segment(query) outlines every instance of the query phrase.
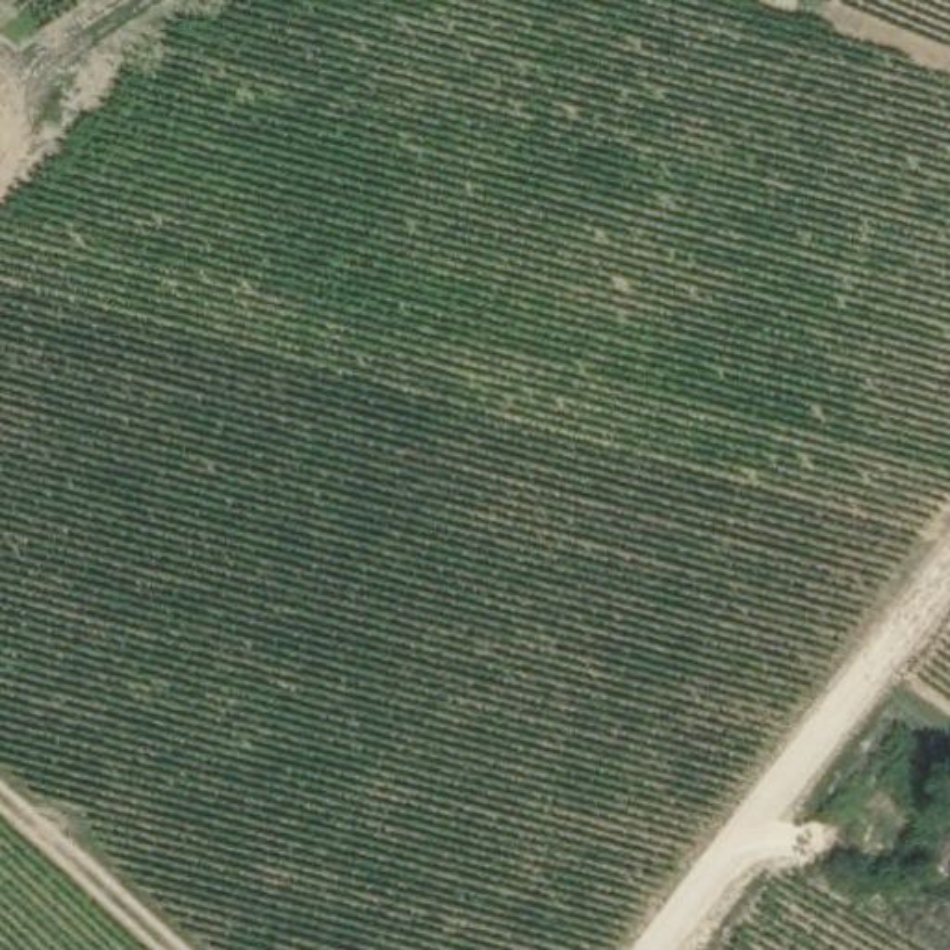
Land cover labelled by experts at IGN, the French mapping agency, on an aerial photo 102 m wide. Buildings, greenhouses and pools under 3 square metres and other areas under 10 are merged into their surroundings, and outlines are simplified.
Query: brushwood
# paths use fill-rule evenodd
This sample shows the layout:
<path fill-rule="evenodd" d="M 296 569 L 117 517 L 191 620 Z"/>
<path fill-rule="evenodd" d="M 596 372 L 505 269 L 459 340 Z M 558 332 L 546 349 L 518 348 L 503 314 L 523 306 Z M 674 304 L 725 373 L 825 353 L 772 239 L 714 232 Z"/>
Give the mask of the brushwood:
<path fill-rule="evenodd" d="M 831 846 L 816 861 L 839 891 L 883 894 L 891 902 L 909 902 L 917 891 L 928 891 L 931 898 L 950 898 L 950 828 L 928 831 L 920 828 L 920 816 L 931 805 L 928 783 L 950 779 L 950 724 L 913 727 L 894 720 L 883 731 L 879 746 L 865 757 L 865 776 L 879 776 L 894 805 L 905 805 L 905 824 L 894 846 L 879 854 L 865 854 L 861 846 Z"/>

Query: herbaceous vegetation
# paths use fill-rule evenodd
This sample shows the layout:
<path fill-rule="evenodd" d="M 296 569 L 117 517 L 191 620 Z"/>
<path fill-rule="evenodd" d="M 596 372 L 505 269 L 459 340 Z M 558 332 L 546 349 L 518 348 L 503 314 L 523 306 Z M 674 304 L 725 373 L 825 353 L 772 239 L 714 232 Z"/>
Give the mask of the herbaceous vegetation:
<path fill-rule="evenodd" d="M 913 928 L 917 946 L 924 950 L 950 950 L 950 898 L 931 898 L 928 891 L 917 891 L 909 902 L 891 902 L 887 913 Z"/>
<path fill-rule="evenodd" d="M 850 731 L 842 750 L 828 761 L 809 798 L 794 813 L 794 824 L 835 828 L 831 846 L 861 846 L 865 854 L 879 854 L 894 846 L 905 824 L 905 805 L 894 805 L 879 776 L 865 776 L 865 757 L 879 746 L 883 731 L 894 720 L 913 727 L 950 724 L 950 720 L 928 701 L 920 701 L 913 690 L 891 683 L 868 709 L 868 716 Z"/>

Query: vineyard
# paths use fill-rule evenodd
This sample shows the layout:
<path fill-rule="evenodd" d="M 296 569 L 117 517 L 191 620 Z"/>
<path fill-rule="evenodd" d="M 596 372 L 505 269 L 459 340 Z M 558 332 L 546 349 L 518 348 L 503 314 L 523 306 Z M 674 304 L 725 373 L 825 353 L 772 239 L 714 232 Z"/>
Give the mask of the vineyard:
<path fill-rule="evenodd" d="M 950 0 L 861 0 L 876 19 L 950 48 Z"/>
<path fill-rule="evenodd" d="M 950 74 L 913 63 L 909 52 L 894 45 L 846 37 L 820 15 L 783 11 L 776 0 L 0 0 L 0 63 L 15 63 L 15 74 L 26 85 L 26 108 L 33 111 L 30 156 L 37 160 L 30 178 L 15 182 L 0 200 L 0 776 L 30 802 L 37 802 L 52 820 L 59 820 L 82 850 L 89 850 L 104 868 L 111 868 L 193 950 L 627 950 L 649 924 L 649 902 L 672 898 L 679 879 L 709 850 L 709 842 L 738 809 L 738 802 L 787 746 L 794 727 L 809 716 L 816 698 L 828 690 L 828 683 L 854 661 L 868 635 L 883 623 L 887 609 L 898 605 L 902 590 L 931 557 L 931 546 L 920 538 L 920 531 L 950 497 Z"/>
<path fill-rule="evenodd" d="M 93 902 L 45 850 L 37 850 L 19 828 L 11 828 L 0 816 L 0 950 L 148 950 L 100 902 Z"/>
<path fill-rule="evenodd" d="M 924 642 L 902 664 L 894 664 L 891 683 L 913 690 L 920 701 L 928 701 L 950 720 L 950 609 L 924 635 Z"/>
<path fill-rule="evenodd" d="M 883 894 L 839 891 L 816 861 L 787 872 L 757 872 L 742 887 L 735 905 L 724 913 L 724 920 L 713 928 L 713 939 L 701 950 L 924 950 L 917 946 L 913 928 L 887 913 L 891 902 Z"/>

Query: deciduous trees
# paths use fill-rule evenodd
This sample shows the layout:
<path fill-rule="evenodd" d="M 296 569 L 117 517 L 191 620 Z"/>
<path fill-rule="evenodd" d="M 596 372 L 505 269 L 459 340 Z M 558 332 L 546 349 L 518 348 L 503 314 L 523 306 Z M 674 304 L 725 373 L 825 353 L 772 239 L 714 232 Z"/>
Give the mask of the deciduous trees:
<path fill-rule="evenodd" d="M 920 816 L 920 828 L 928 831 L 950 828 L 950 779 L 928 783 L 931 805 Z"/>

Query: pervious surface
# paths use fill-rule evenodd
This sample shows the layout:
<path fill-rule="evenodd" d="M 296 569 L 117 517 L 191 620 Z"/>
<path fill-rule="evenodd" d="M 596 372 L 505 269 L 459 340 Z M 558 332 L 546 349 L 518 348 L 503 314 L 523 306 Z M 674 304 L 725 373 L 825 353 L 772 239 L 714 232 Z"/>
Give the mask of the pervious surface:
<path fill-rule="evenodd" d="M 15 63 L 0 63 L 0 200 L 15 182 L 30 178 L 37 160 L 30 156 L 33 111 L 26 108 L 26 85 L 15 74 Z"/>
<path fill-rule="evenodd" d="M 850 731 L 868 716 L 868 709 L 891 683 L 894 664 L 902 664 L 924 642 L 924 635 L 950 609 L 950 497 L 920 531 L 920 538 L 931 546 L 931 557 L 902 590 L 898 605 L 887 609 L 883 623 L 868 635 L 854 661 L 828 683 L 828 690 L 816 698 L 809 716 L 794 727 L 787 746 L 738 802 L 738 809 L 709 842 L 709 850 L 679 879 L 672 898 L 649 902 L 649 924 L 627 950 L 701 950 L 713 939 L 713 928 L 724 920 L 724 913 L 735 905 L 742 887 L 757 872 L 787 872 L 816 861 L 831 846 L 835 828 L 794 824 L 794 813 L 809 798 L 828 761 L 842 750 Z"/>
<path fill-rule="evenodd" d="M 0 776 L 0 816 L 11 828 L 19 828 L 37 850 L 45 850 L 93 902 L 100 902 L 148 950 L 193 950 L 111 868 L 104 868 L 89 850 L 82 850 L 59 820 L 52 820 L 37 802 L 30 802 Z"/>
<path fill-rule="evenodd" d="M 783 11 L 820 15 L 846 37 L 894 45 L 909 52 L 913 63 L 950 74 L 950 48 L 876 19 L 861 0 L 776 0 Z"/>

